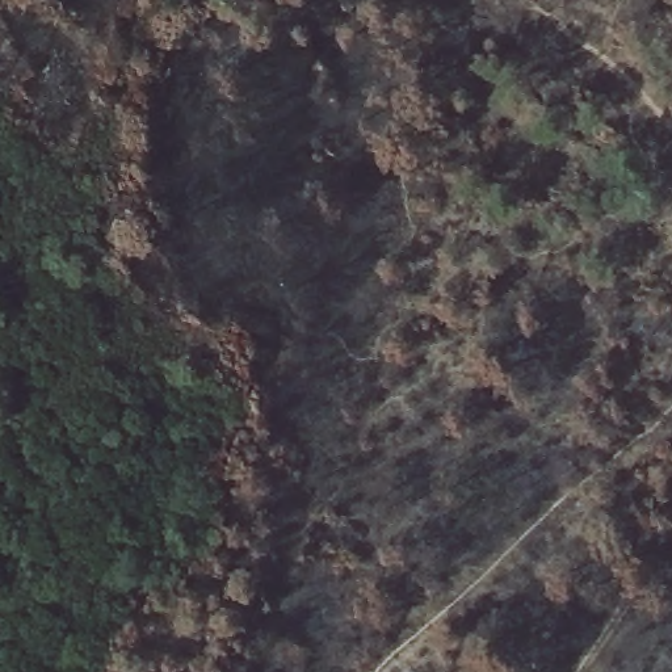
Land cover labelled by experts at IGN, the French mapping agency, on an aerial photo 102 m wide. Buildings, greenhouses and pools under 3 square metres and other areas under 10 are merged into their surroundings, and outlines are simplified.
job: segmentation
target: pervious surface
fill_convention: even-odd
[[[402,643],[394,646],[370,672],[415,672],[415,667],[423,664],[446,667],[446,641],[452,638],[446,617],[465,614],[465,601],[475,601],[478,596],[483,596],[486,583],[499,570],[515,570],[522,564],[538,570],[538,562],[525,554],[522,543],[543,522],[554,517],[557,507],[567,501],[559,494],[483,567],[462,567],[462,572],[452,583],[452,599],[438,612],[433,612],[415,633],[402,638]]]

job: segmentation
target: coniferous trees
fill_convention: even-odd
[[[415,667],[415,672],[512,672],[499,659],[488,656],[486,641],[480,641],[478,635],[470,633],[467,638],[452,638],[446,641],[446,667],[423,664]]]
[[[672,0],[630,0],[625,18],[627,26],[622,32],[606,29],[604,42],[585,42],[583,50],[601,60],[609,71],[627,63],[643,76],[641,97],[635,97],[633,102],[609,105],[606,97],[591,89],[580,89],[585,76],[564,76],[562,81],[554,79],[551,84],[543,84],[536,76],[533,63],[525,63],[515,53],[494,45],[483,47],[483,55],[475,55],[475,60],[470,63],[470,71],[488,81],[494,89],[488,97],[488,110],[470,110],[465,108],[462,97],[454,97],[454,105],[438,113],[436,100],[420,95],[417,89],[417,63],[423,53],[431,47],[423,32],[420,13],[396,13],[394,21],[383,21],[375,8],[375,0],[365,0],[360,5],[341,3],[341,11],[352,13],[352,18],[336,29],[336,42],[352,68],[354,81],[347,118],[352,121],[360,142],[368,142],[378,168],[399,176],[402,207],[407,218],[402,236],[425,244],[431,228],[444,234],[444,244],[436,252],[438,273],[431,289],[423,297],[394,297],[391,302],[386,302],[386,310],[378,318],[381,328],[370,349],[383,354],[378,386],[386,394],[394,394],[396,386],[412,381],[415,373],[431,360],[433,365],[446,365],[446,389],[452,394],[462,389],[491,386],[499,396],[507,396],[509,404],[520,402],[528,386],[533,383],[533,344],[528,336],[533,333],[530,312],[536,310],[530,286],[536,284],[551,291],[567,276],[580,276],[580,281],[588,289],[612,289],[614,276],[609,260],[599,252],[601,239],[612,236],[620,223],[646,223],[651,215],[648,192],[643,192],[641,179],[625,165],[625,152],[614,147],[625,139],[614,134],[614,129],[609,129],[606,123],[617,116],[662,116],[664,110],[672,113]]]
[[[585,541],[575,546],[562,562],[557,562],[549,578],[543,578],[543,588],[551,601],[567,601],[572,596],[580,596],[593,609],[606,606],[617,596],[625,596],[638,609],[662,612],[672,596],[672,578],[667,570],[656,567],[646,557],[646,541],[656,533],[651,528],[651,517],[656,517],[659,496],[651,486],[638,483],[635,478],[630,483],[606,483],[606,488],[601,491],[606,504],[599,504],[599,512],[591,522]]]

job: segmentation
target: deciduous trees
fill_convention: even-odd
[[[137,0],[137,24],[142,24],[144,29],[150,26],[152,37],[163,50],[173,50],[173,42],[181,37],[186,26],[215,16],[221,21],[239,26],[239,42],[244,47],[265,50],[270,45],[270,26],[289,8],[276,0]]]
[[[147,599],[158,593],[163,604],[176,606],[179,599],[189,599],[184,580],[189,575],[221,575],[223,567],[215,557],[218,546],[236,546],[236,530],[223,522],[218,512],[218,501],[234,491],[234,480],[226,480],[226,459],[221,452],[210,446],[207,438],[223,428],[234,428],[236,412],[244,412],[249,404],[257,402],[257,386],[252,386],[249,378],[255,349],[249,333],[236,323],[207,326],[200,320],[197,326],[186,326],[176,315],[176,302],[171,297],[144,297],[137,284],[131,284],[129,273],[121,276],[105,263],[113,249],[113,218],[105,205],[118,197],[121,184],[108,181],[108,176],[66,179],[66,165],[60,163],[58,150],[39,155],[34,147],[26,147],[18,139],[13,139],[11,110],[18,100],[11,95],[11,84],[0,79],[0,672],[108,672],[105,664],[110,662],[110,656],[123,654],[123,646],[131,646],[137,641],[129,614],[121,606],[108,606],[110,591],[134,588],[144,591]]]

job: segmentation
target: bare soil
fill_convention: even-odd
[[[431,47],[423,53],[417,63],[417,89],[420,95],[436,100],[438,113],[454,105],[454,97],[462,97],[465,108],[470,110],[488,110],[488,97],[494,89],[488,81],[470,71],[470,63],[475,60],[475,55],[483,55],[483,47],[494,45],[515,53],[525,63],[533,63],[536,76],[543,84],[551,84],[554,79],[562,81],[564,76],[585,76],[580,89],[591,89],[606,97],[609,105],[633,102],[635,97],[641,97],[643,76],[627,63],[609,71],[601,60],[583,50],[585,42],[604,42],[606,29],[622,32],[627,26],[625,18],[630,0],[375,0],[375,8],[383,21],[394,21],[396,13],[420,13],[423,32]]]
[[[625,596],[617,596],[606,606],[593,609],[580,596],[572,596],[567,601],[551,601],[543,588],[543,578],[549,578],[557,562],[562,562],[575,546],[585,541],[591,522],[599,512],[599,504],[606,504],[601,491],[606,488],[606,483],[630,483],[635,478],[638,483],[651,486],[659,496],[656,517],[651,517],[651,528],[656,533],[646,541],[646,557],[656,567],[667,570],[672,578],[672,113],[664,110],[662,116],[617,116],[606,123],[609,129],[614,129],[614,134],[625,139],[614,147],[625,152],[625,165],[641,179],[643,192],[648,192],[651,215],[646,223],[620,223],[612,236],[601,239],[599,252],[609,260],[614,276],[612,289],[588,289],[580,281],[580,276],[567,276],[551,291],[536,284],[530,286],[536,310],[530,312],[533,333],[528,336],[533,344],[533,383],[528,386],[520,402],[509,404],[507,396],[499,396],[491,386],[462,389],[452,394],[446,389],[446,365],[433,365],[431,360],[415,373],[412,381],[396,386],[394,394],[386,394],[378,386],[383,354],[370,349],[381,328],[378,318],[386,310],[386,302],[391,302],[394,297],[423,297],[431,289],[438,273],[436,252],[444,244],[444,234],[431,228],[425,244],[402,236],[407,218],[402,207],[399,176],[378,168],[368,142],[360,142],[352,121],[347,118],[354,81],[352,68],[336,42],[336,29],[352,18],[352,13],[341,11],[341,3],[360,5],[365,0],[276,0],[289,8],[270,26],[270,45],[265,50],[244,47],[239,42],[239,26],[221,21],[215,16],[186,26],[181,37],[173,42],[173,50],[163,50],[152,37],[150,26],[144,29],[142,24],[137,24],[137,0],[0,0],[0,79],[11,84],[11,95],[18,100],[11,110],[13,139],[18,139],[26,147],[34,147],[39,155],[58,150],[60,163],[66,165],[66,179],[108,176],[108,181],[121,184],[118,197],[105,205],[113,218],[113,249],[105,263],[121,276],[129,273],[131,284],[137,284],[144,297],[171,297],[176,302],[176,315],[186,326],[197,326],[200,320],[207,326],[236,323],[249,333],[255,349],[249,378],[252,386],[257,386],[257,402],[249,404],[244,412],[236,412],[234,428],[223,428],[207,438],[210,446],[221,452],[226,459],[226,480],[234,480],[234,491],[218,501],[218,512],[223,522],[236,530],[236,546],[218,546],[215,557],[223,567],[221,575],[189,575],[184,580],[189,599],[179,599],[176,606],[163,604],[158,593],[147,599],[144,591],[134,588],[110,591],[108,606],[121,606],[129,614],[137,641],[131,646],[123,646],[123,654],[110,656],[110,662],[105,664],[108,672],[370,672],[394,646],[402,643],[402,638],[415,633],[433,612],[438,612],[452,599],[452,583],[462,572],[462,567],[483,567],[559,494],[567,501],[557,507],[554,517],[543,522],[522,543],[525,554],[538,562],[538,570],[522,564],[515,570],[499,570],[486,583],[483,596],[478,596],[475,601],[465,601],[465,614],[446,617],[452,638],[467,638],[470,633],[478,635],[480,641],[486,641],[488,656],[499,659],[512,672],[672,672],[672,596],[662,612],[638,609]]]

